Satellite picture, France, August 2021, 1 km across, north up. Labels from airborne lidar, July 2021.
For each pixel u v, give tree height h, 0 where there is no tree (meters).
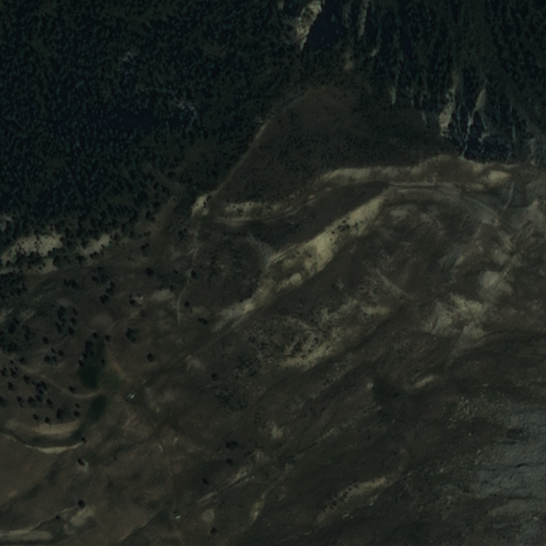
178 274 11
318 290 0
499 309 0
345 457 0
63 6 9
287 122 0
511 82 0
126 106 13
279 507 0
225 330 0
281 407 0
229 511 0
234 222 0
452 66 14
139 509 0
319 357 0
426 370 0
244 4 12
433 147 0
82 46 19
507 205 0
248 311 0
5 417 0
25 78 20
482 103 0
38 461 0
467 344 0
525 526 0
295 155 0
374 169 0
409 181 0
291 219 0
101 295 0
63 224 13
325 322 0
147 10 21
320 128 0
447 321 0
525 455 0
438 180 0
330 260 0
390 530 0
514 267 0
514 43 16
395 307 0
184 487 0
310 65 7
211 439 0
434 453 0
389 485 0
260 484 0
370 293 0
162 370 0
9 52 15
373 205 0
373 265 0
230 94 0
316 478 0
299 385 0
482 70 0
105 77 7
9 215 12
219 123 0
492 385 0
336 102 0
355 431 0
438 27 6
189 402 0
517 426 0
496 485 0
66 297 0
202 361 0
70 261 7
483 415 0
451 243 0
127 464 0
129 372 0
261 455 0
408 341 0
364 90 7
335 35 8
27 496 0
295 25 0
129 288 0
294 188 0
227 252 0
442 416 0
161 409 0
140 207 11
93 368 0
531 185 0
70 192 17
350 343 0
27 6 11
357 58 8
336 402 0
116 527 0
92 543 0
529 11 18
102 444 0
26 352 0
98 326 0
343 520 0
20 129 7
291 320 0
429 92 0
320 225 0
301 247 0
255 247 0
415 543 0
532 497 0
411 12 16
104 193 16
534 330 0
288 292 0
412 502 0
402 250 0
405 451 0
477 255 0
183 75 15
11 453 0
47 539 0
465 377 0
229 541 0
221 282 0
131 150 13
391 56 13
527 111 0
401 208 0
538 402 0
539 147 0
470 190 0
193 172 0
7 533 0
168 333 0
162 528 0
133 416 0
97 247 0
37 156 7
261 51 12
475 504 0
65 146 22
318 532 0
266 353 0
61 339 0
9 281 9
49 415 0
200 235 0
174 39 15
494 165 0
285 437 0
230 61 8
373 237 0
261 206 0
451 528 0
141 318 0
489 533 0
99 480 0
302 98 0
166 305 0
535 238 0
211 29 5
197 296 0
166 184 0
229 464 8
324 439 0
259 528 0
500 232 0
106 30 19
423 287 0
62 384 0
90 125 13
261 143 0
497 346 0
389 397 0
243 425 0
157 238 0
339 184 0
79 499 0
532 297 0
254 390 0
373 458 0
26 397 0
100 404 0
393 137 0
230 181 0
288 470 0
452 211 0
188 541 0
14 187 16
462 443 0
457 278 0
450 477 0
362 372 0
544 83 7
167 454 0
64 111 21
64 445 0
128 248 0
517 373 0
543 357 0
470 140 0
